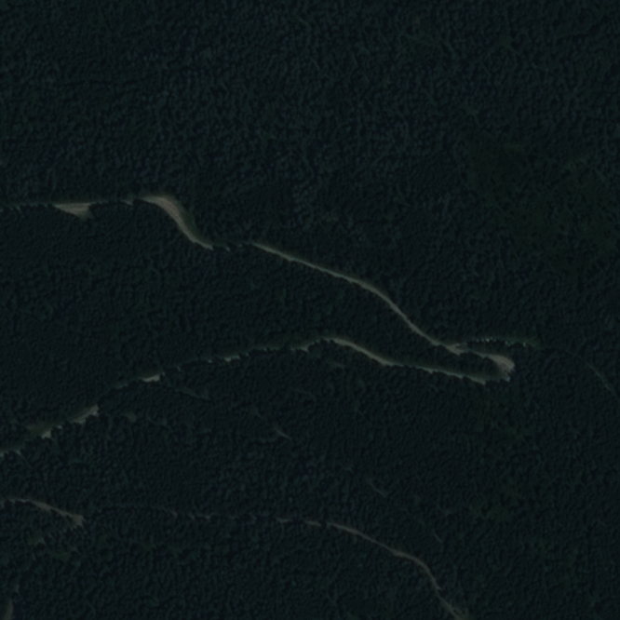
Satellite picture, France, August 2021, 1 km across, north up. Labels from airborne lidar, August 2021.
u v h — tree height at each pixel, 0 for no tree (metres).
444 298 22
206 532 18
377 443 19
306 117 32
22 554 24
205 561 21
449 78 7
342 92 20
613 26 33
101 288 26
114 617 21
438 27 22
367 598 13
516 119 18
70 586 25
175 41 14
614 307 23
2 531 29
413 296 29
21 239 19
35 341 29
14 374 23
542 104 30
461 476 19
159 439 19
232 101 34
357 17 7
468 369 31
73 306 27
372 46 31
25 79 25
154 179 29
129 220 19
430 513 23
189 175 31
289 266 24
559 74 31
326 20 34
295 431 19
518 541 8
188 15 20
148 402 21
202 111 35
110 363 25
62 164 29
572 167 18
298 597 24
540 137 23
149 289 12
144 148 21
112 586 24
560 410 27
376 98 24
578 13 14
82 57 21
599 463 18
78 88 24
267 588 18
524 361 28
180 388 27
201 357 20
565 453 23
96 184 20
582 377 30
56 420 23
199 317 21
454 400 23
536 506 21
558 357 19
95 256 16
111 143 23
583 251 9
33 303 27
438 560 22
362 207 20
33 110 20
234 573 23
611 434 24
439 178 19
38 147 24
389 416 21
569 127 30
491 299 20
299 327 21
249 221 32
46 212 23
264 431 19
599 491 20
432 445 16
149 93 12
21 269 19
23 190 31
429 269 16
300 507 19
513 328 18
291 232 15
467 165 20
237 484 25
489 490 15
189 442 30
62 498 25
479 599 14
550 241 6
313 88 29
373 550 18
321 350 19
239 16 32
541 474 6
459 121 13
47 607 15
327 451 9
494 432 21
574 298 25
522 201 9
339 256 13
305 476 28
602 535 17
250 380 22
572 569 6
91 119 8
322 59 19
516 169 5
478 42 22
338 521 24
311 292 22
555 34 35
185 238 26
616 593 23
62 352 25
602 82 7
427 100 33
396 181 11
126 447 25
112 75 18
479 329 21
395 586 22
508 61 34
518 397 6
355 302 21
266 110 29
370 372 19
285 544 17
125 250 20
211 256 18
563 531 21
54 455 24
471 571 18
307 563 17
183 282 6
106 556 19
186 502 17
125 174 13
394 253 14
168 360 26
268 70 28
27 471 25
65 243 24
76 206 0
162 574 27
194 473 17
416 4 26
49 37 23
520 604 19
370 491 18
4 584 26
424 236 16
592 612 18
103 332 26
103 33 8
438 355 29
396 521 15
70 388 26
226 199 8
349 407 22
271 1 18
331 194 15
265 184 18
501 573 19
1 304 17
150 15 13
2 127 23
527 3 36
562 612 22
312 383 20
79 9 12
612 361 27
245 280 25
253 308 27
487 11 33
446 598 30
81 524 0
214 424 18
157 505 23
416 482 11
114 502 18
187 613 21
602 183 12
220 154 15
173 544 26
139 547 27
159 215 22
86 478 25
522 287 6
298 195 35
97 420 24
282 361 21
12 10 15
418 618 19
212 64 30
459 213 24
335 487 32
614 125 23
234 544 21
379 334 23
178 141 30
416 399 21
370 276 7
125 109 26
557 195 6
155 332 26
